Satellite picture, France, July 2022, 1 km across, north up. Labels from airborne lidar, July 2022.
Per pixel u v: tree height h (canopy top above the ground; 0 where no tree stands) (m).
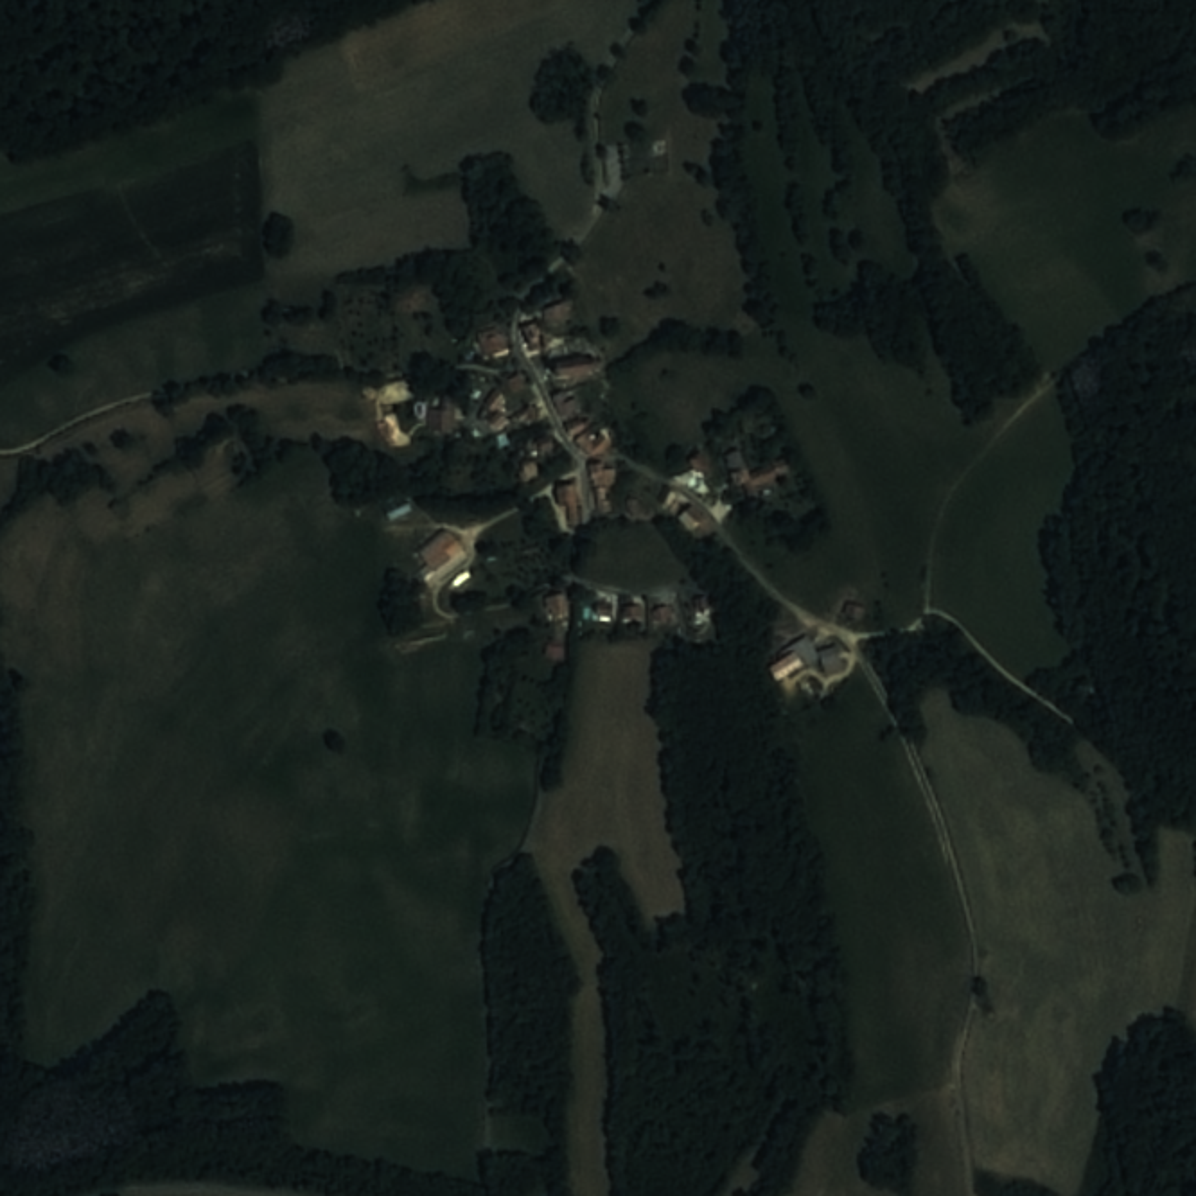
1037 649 0
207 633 0
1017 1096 0
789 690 0
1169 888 0
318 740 0
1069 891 0
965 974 0
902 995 0
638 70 0
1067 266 0
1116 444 25
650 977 16
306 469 0
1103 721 17
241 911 0
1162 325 14
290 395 0
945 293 26
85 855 0
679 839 15
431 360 15
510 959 13
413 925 0
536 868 8
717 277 0
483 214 16
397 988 0
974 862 0
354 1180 9
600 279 0
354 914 0
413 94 0
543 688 6
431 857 0
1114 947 0
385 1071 0
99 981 0
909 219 15
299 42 23
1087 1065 0
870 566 0
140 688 0
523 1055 16
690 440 0
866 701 0
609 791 0
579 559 13
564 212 0
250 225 0
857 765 0
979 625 0
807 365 0
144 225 0
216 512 0
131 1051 14
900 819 0
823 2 17
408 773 0
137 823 0
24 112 29
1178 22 21
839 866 0
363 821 0
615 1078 15
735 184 20
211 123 0
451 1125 0
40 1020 0
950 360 24
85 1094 26
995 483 0
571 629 8
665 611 0
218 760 0
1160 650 26
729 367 0
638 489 0
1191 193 0
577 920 0
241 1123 22
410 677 0
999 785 0
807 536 20
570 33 0
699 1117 15
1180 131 0
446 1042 0
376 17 18
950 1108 0
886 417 0
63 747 0
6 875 23
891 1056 0
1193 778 22
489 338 0
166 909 0
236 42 25
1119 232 0
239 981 0
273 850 0
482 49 0
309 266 0
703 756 19
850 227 0
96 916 0
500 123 0
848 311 15
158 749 0
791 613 0
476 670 0
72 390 0
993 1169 0
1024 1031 0
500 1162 12
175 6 32
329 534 0
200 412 0
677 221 0
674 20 0
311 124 0
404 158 0
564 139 0
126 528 0
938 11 9
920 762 0
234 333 0
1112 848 7
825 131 16
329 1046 0
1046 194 0
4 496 0
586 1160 0
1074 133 0
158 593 0
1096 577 21
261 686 0
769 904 21
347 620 0
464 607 16
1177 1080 25
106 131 25
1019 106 19
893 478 0
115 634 0
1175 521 14
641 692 0
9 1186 23
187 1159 9
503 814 0
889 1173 19
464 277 10
